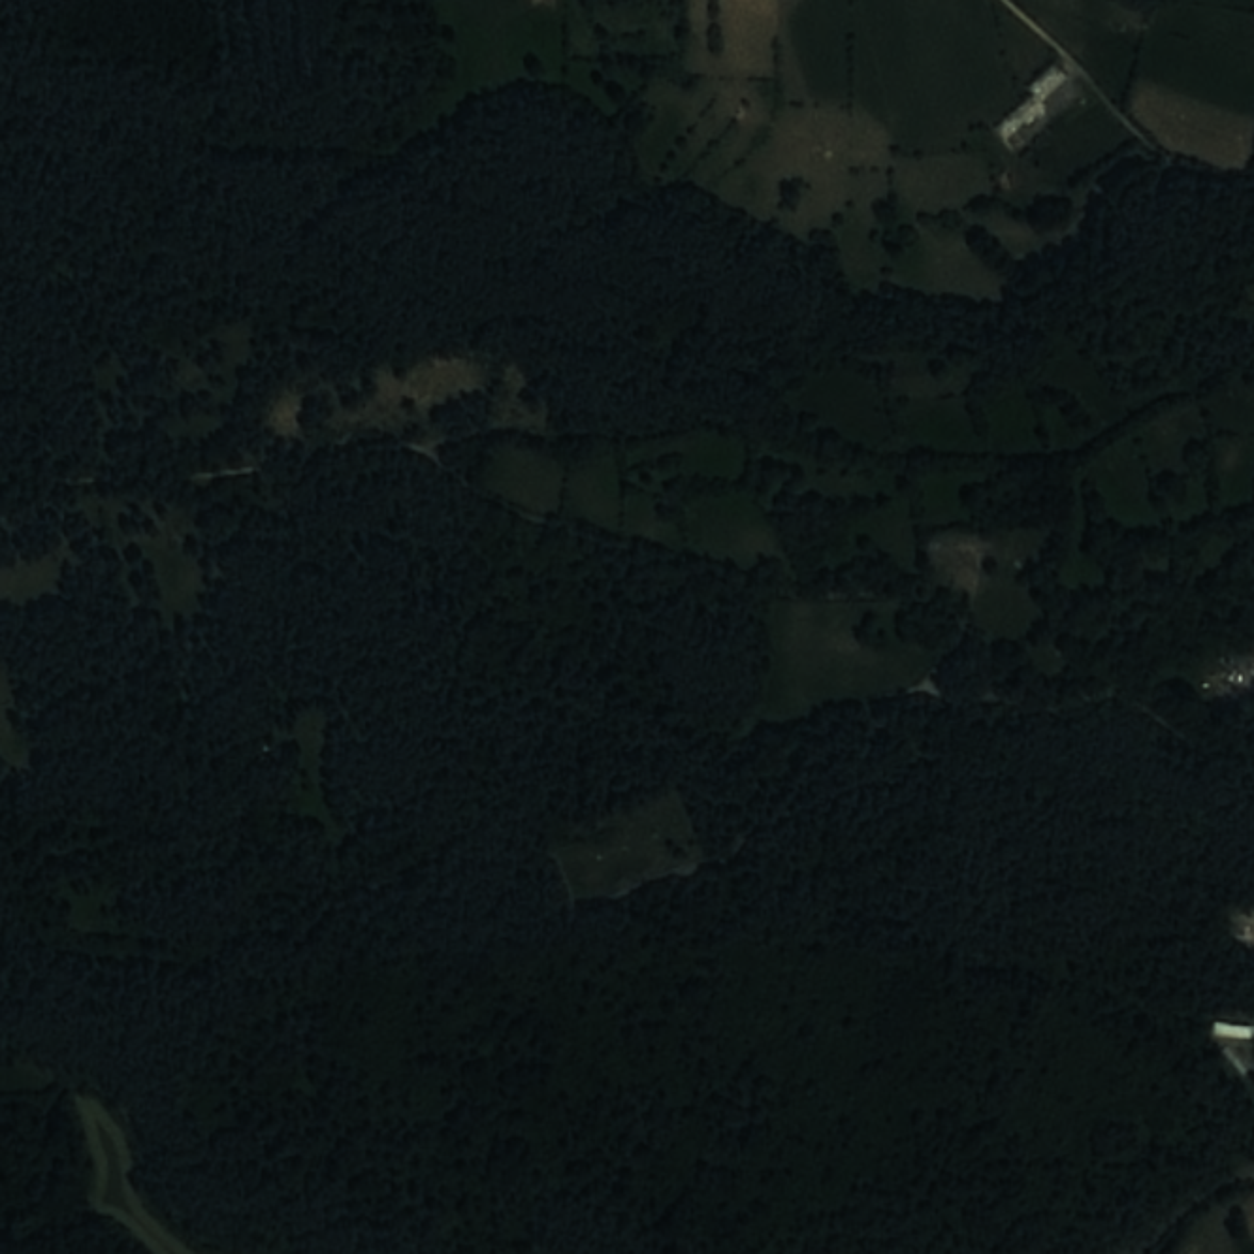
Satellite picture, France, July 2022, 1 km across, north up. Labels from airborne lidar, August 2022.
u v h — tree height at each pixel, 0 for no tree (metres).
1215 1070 11
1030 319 19
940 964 16
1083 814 16
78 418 20
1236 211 22
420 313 21
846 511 8
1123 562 18
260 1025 18
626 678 6
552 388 19
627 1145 22
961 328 23
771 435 15
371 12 7
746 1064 16
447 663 17
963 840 13
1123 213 18
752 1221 8
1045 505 18
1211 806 17
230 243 22
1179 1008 9
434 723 17
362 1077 17
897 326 22
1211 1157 17
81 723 23
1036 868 20
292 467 17
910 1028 13
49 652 19
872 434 0
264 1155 16
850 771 20
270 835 9
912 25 0
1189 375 13
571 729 20
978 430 10
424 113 9
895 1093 7
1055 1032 8
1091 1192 18
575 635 15
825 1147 12
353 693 17
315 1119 7
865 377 12
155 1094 20
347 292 14
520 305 18
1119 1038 10
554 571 8
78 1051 21
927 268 0
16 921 18
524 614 6
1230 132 0
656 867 0
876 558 14
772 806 16
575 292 20
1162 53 0
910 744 10
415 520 21
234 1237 21
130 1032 21
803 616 0
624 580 15
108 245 20
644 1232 19
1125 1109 9
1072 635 21
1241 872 17
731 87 0
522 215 21
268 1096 8
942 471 8
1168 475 14
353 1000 7
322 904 7
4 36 18
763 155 0
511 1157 18
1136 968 13
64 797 22
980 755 18
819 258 20
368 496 20
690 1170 8
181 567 0
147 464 17
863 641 16
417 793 24
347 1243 20
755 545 0
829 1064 9
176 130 24
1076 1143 8
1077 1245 18
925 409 0
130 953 6
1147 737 15
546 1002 9
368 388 11
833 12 0
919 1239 18
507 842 18
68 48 8
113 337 17
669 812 0
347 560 22
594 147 21
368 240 19
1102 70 0
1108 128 0
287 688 14
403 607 11
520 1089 17
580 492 0
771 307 21
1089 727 12
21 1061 9
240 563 21
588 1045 7
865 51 0
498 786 17
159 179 21
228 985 22
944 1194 8
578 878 0
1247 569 14
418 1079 9
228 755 15
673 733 20
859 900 13
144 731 20
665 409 16
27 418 7
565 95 9
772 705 0
